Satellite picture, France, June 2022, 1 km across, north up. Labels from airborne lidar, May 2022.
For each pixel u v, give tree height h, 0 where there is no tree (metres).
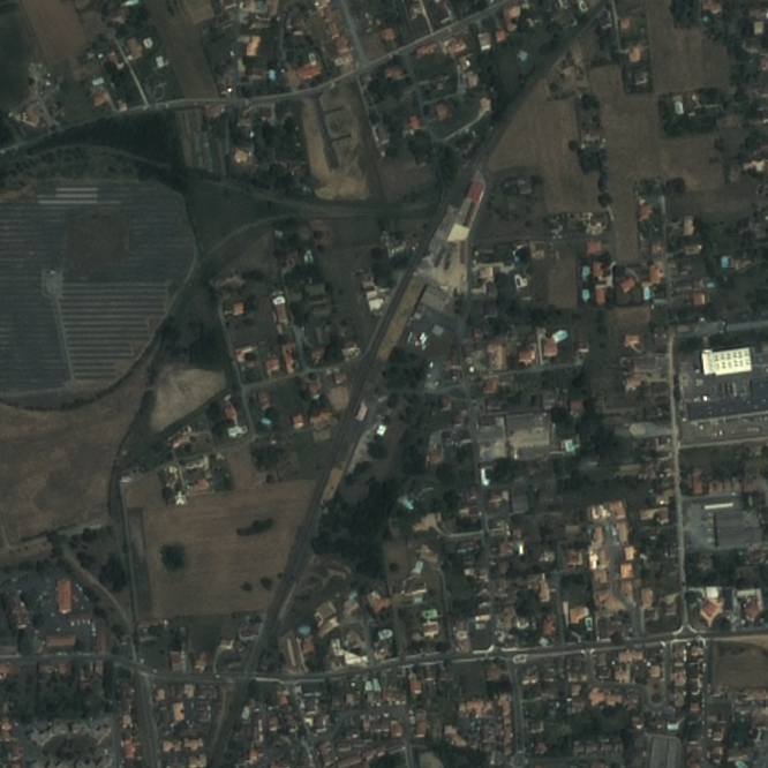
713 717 0
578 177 0
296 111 0
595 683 0
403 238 10
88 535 12
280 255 11
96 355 0
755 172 9
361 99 0
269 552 0
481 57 9
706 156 0
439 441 0
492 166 0
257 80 0
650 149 0
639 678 8
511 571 12
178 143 7
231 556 0
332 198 0
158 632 6
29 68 0
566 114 0
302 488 0
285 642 0
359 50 0
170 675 0
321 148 0
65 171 0
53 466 0
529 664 0
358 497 0
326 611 0
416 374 6
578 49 0
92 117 0
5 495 0
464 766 7
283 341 10
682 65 0
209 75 0
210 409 9
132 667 0
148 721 0
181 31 0
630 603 0
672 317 7
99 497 0
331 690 12
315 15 0
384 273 10
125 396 0
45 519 0
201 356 11
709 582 13
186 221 0
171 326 10
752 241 7
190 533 0
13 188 0
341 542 10
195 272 0
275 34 0
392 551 0
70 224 0
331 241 0
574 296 0
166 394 0
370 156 0
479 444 0
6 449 0
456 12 6
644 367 0
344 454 0
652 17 0
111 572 24
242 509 0
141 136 11
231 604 0
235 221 0
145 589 0
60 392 0
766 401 0
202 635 0
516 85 0
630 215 0
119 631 12
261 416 0
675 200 0
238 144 10
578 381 11
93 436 0
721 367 0
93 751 9
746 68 11
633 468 0
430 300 0
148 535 0
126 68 6
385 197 0
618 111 0
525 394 12
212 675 0
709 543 0
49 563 12
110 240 0
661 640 0
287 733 9
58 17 0
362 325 0
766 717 0
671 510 6
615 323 0
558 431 8
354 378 0
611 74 0
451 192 0
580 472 7
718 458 0
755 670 0
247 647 6
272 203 11
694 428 0
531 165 0
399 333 0
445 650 11
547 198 0
